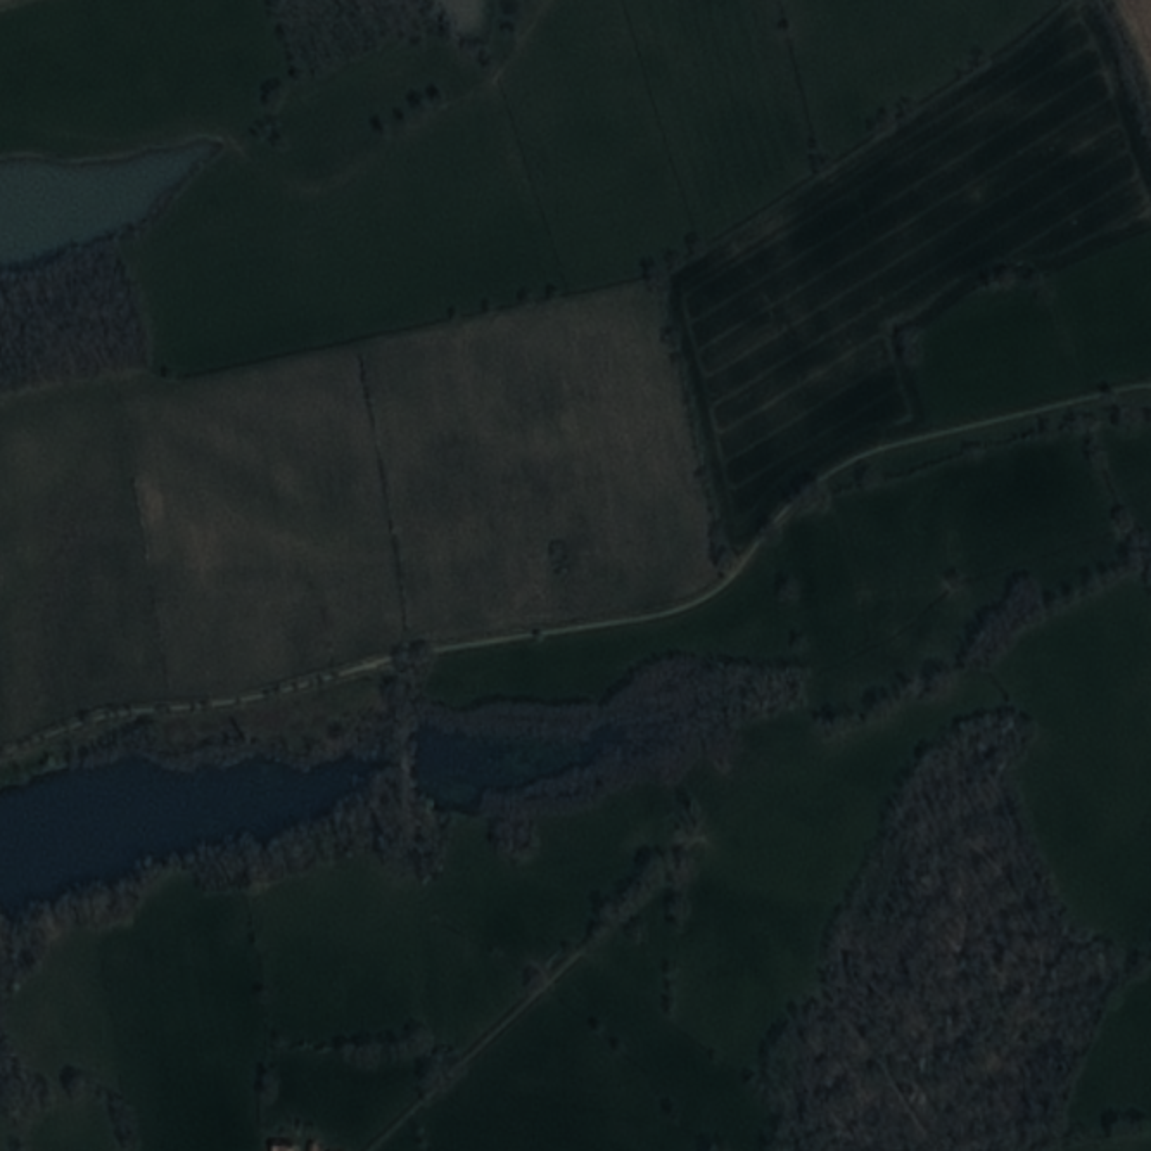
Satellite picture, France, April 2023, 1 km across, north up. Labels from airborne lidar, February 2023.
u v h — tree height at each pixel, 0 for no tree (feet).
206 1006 0
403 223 0
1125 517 37
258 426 0
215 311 0
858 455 0
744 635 0
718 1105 0
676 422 0
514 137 0
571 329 0
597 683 0
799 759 0
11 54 0
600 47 0
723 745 48
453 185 0
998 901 71
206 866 49
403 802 74
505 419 0
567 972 0
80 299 64
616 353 0
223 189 0
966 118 0
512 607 0
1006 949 62
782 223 0
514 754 0
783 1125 56
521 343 0
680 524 0
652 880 65
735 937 0
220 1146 0
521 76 0
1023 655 0
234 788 0
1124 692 0
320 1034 0
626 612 0
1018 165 0
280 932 0
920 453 0
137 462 0
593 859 0
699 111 0
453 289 0
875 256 0
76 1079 44
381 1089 0
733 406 0
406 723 65
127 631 0
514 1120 0
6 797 0
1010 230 0
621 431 0
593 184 0
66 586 0
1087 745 0
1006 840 65
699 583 0
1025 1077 63
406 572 0
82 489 0
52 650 0
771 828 0
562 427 0
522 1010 0
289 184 0
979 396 0
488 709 58
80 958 0
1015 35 0
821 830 0
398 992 0
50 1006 0
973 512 0
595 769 45
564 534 0
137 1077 0
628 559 0
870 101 0
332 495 0
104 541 0
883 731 0
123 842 0
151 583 0
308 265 0
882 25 0
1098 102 0
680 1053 0
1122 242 0
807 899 0
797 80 0
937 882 68
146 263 0
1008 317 0
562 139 0
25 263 0
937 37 0
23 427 0
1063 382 0
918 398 0
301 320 0
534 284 0
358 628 0
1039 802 0
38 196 0
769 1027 0
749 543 0
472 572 0
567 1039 0
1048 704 0
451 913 0
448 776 0
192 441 0
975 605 0
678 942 0
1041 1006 54
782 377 0
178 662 0
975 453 43
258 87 0
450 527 0
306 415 0
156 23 0
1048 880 56
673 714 48
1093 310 0
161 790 0
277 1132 0
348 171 0
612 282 0
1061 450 0
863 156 0
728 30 0
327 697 0
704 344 0
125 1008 0
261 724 0
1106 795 0
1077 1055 24
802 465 0
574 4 0
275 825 0
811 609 0
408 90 0
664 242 0
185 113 0
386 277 0
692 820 79
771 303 0
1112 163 0
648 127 0
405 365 0
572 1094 0
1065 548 0
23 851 0
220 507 0
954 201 0
